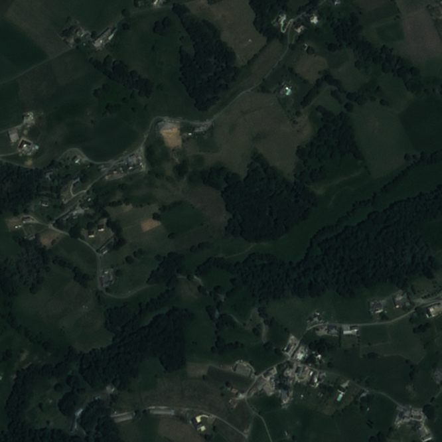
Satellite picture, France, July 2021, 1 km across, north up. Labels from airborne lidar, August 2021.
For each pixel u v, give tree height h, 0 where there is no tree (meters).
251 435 0
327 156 22
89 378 27
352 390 0
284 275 8
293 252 0
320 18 8
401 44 0
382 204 0
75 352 24
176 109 0
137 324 35
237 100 0
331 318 0
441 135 0
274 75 0
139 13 0
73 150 0
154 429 0
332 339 0
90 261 0
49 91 0
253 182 27
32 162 0
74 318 0
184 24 13
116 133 0
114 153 0
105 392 0
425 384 0
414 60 0
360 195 0
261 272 14
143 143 0
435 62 0
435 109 0
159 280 27
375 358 15
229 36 0
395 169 0
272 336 0
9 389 0
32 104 0
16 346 0
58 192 15
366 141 0
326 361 0
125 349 25
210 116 0
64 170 0
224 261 19
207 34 21
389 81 0
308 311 0
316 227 0
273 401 0
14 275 13
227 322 14
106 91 14
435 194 16
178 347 27
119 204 14
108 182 0
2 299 0
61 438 19
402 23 0
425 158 21
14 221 0
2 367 0
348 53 0
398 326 0
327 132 25
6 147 0
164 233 0
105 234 0
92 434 23
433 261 21
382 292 0
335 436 0
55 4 0
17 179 17
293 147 0
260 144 0
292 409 0
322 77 7
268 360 0
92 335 0
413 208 29
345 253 23
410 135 0
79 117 0
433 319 0
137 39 0
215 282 0
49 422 13
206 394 0
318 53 0
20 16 0
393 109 0
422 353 0
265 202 35
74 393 15
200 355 0
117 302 0
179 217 0
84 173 14
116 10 0
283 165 0
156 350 26
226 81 25
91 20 0
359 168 0
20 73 0
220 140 0
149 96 16
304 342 7
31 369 19
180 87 0
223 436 0
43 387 0
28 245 21
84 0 0
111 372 34
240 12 0
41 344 7
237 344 12
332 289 24
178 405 0
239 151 0
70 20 7
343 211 0
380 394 0
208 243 8
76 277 15
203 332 0
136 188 0
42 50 0
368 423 0
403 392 0
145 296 0
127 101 21
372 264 21
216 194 0
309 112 0
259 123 0
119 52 0
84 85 0
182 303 0
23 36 0
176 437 0
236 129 0
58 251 0
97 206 9
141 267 0
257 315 0
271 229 31
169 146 0
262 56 0
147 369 0
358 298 0
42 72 0
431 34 0
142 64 0
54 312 0
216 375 0
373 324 0
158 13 0
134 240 0
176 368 19
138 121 0
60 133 0
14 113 0
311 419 0
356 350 0
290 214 35
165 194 0
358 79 0
